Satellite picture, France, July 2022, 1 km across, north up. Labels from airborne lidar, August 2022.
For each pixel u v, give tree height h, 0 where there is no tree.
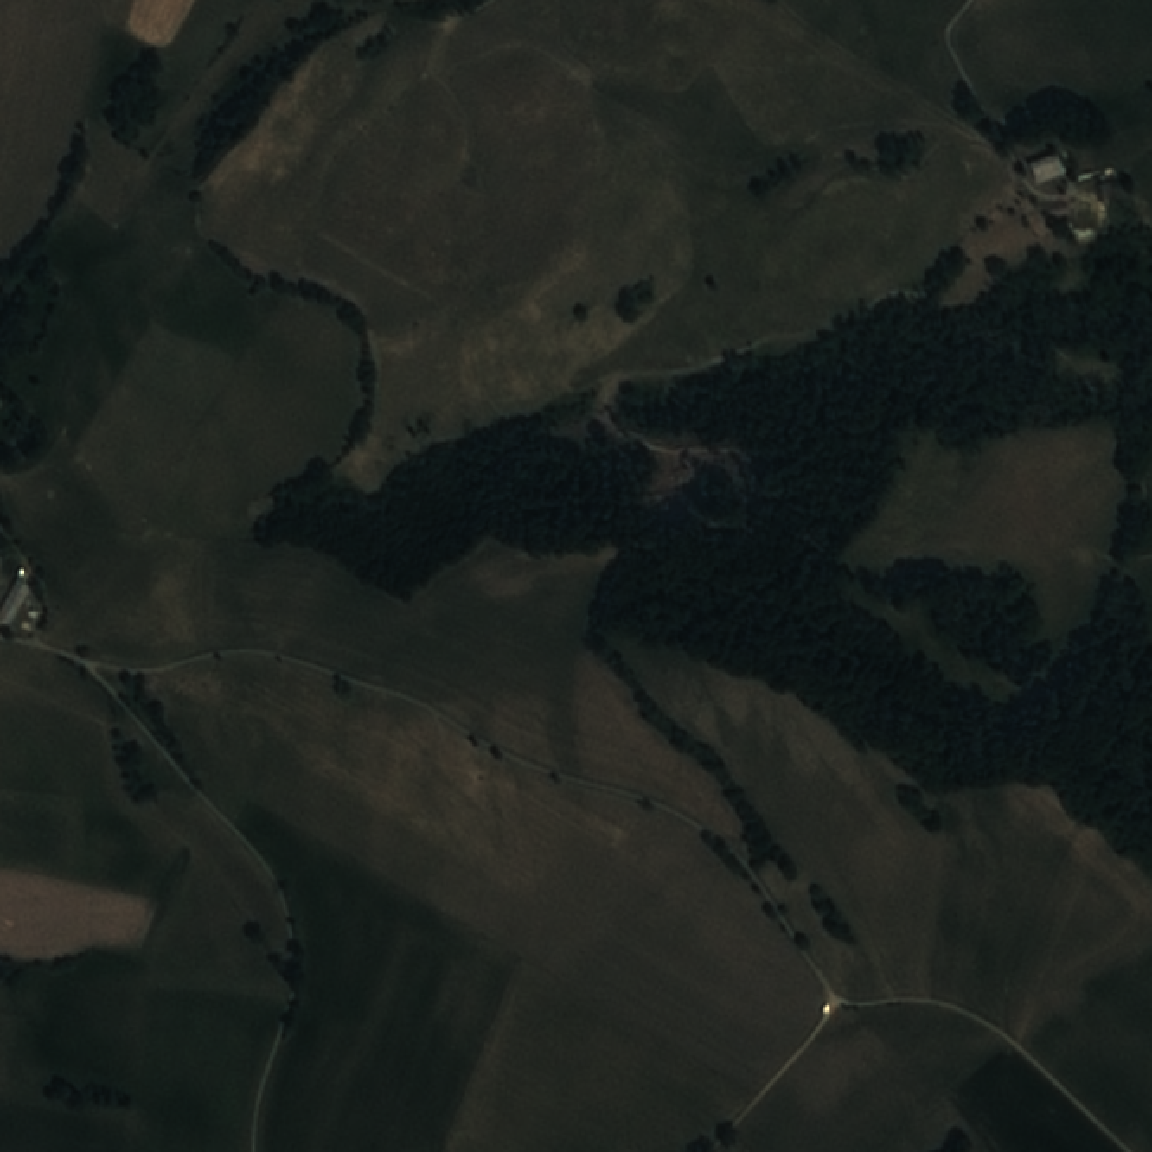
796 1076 0
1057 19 0
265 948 0
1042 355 29
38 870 0
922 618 0
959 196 0
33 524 0
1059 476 0
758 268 0
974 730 26
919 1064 0
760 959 0
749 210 0
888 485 23
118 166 0
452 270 0
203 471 0
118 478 0
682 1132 0
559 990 0
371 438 0
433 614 0
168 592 0
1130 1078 0
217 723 0
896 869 0
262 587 0
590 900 0
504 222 0
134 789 12
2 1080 0
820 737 0
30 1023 0
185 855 0
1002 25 0
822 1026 0
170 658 0
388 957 0
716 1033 0
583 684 0
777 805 0
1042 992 0
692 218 0
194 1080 0
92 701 0
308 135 0
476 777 0
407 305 0
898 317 22
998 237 0
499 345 0
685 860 0
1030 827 0
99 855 0
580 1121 0
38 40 0
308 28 10
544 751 0
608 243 0
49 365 0
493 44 0
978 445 15
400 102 0
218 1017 0
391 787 0
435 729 0
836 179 0
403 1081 0
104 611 0
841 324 17
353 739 0
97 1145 0
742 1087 0
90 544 0
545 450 18
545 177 0
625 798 0
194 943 0
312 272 0
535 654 0
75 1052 0
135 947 0
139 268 0
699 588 19
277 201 0
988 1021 0
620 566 14
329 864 0
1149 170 0
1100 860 0
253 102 9
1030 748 24
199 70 0
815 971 0
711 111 0
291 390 0
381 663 0
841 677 25
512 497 28
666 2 0
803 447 28
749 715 0
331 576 0
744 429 25
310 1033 0
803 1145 0
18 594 0
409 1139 0
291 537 13
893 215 0
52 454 0
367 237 0
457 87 0
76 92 0
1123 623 20
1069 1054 0
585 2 0
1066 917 0
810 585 35
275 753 0
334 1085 0
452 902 0
